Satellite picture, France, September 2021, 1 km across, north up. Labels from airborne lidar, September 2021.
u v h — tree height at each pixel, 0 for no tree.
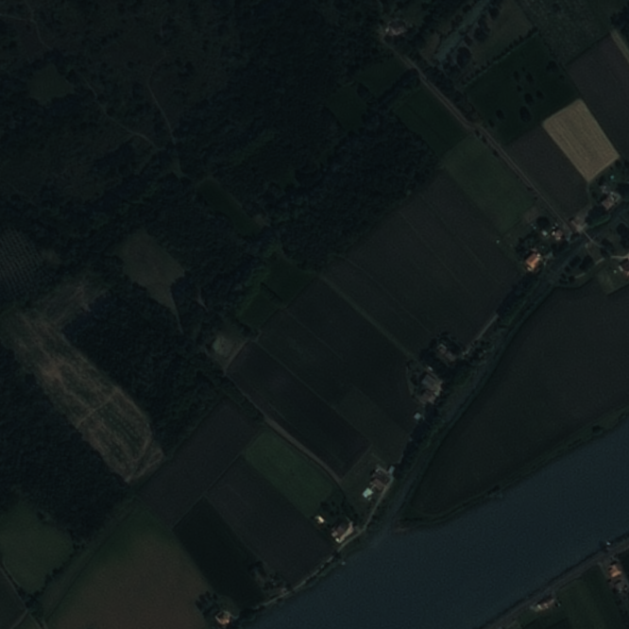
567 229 0
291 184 0
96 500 26
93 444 0
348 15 6
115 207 23
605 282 0
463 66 17
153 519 0
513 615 0
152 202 17
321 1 13
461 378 19
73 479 30
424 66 6
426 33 10
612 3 0
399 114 0
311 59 23
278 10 18
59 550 0
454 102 8
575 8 0
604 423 0
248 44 14
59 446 31
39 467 28
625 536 7
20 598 12
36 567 0
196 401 21
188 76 16
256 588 0
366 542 0
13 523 0
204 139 20
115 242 18
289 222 28
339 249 16
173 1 14
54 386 0
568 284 8
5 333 0
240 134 18
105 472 27
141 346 18
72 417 0
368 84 0
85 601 0
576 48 0
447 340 9
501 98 0
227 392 14
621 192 13
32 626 0
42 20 15
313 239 26
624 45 0
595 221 17
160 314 15
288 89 24
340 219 18
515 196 0
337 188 21
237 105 21
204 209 13
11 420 22
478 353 8
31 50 0
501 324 7
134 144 5
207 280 16
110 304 16
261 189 15
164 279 0
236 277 13
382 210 14
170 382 26
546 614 0
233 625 9
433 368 17
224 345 0
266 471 0
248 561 0
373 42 12
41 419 27
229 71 9
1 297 23
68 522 27
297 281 0
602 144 0
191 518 0
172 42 9
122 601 0
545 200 0
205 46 7
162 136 18
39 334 0
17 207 11
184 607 0
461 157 0
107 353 20
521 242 8
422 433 19
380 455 0
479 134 10
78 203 10
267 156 23
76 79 17
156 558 0
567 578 0
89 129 6
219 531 0
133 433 0
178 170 0
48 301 0
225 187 13
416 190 10
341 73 19
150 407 22
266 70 12
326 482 0
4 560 0
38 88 0
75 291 0
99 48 9
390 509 0
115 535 0
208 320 13
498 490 9
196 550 0
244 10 9
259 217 0
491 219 0
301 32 24
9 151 13
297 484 0
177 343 18
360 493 0
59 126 21
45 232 19
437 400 7
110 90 12
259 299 0
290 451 0
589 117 0
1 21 7
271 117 23
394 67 0
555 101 0
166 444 20
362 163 20
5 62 8
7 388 23
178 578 0
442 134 0
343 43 16
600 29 0
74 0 8
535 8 0
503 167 0
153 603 0
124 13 16
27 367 0
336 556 8
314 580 8
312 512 0
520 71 0
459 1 10
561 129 0
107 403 0
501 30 0
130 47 0
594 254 0
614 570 0
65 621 0
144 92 10
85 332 19
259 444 0
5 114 10
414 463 14
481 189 0
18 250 21
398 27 0
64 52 6
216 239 23
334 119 16
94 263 14
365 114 0
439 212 0
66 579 0
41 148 10
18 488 27
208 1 6
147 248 0
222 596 0
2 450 29
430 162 16
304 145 21
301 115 23
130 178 13
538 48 0
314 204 21
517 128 0
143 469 0
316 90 22
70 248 16
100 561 0
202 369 17
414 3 8
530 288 16
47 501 30
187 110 6
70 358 0
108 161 16
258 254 20
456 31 11
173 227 21
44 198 9
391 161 19
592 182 0
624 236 15
